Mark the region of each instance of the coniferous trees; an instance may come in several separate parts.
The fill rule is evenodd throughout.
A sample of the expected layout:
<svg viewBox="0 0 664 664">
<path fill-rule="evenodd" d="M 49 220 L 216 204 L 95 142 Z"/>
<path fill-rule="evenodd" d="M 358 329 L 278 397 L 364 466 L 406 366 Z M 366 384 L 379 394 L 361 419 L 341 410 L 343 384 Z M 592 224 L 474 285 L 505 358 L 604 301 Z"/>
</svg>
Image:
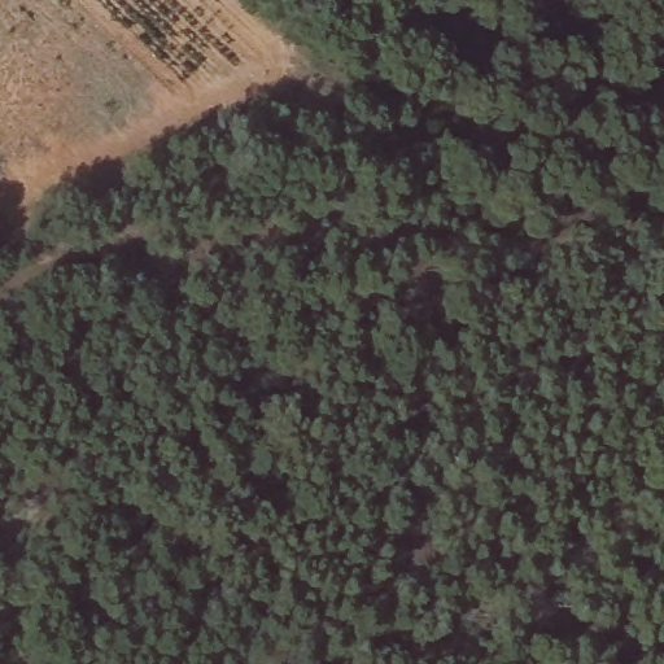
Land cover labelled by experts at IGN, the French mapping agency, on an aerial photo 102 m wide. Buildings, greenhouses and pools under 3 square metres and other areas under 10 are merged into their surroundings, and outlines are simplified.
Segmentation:
<svg viewBox="0 0 664 664">
<path fill-rule="evenodd" d="M 132 150 L 122 158 L 101 158 L 91 166 L 78 166 L 75 174 L 65 174 L 57 184 L 44 189 L 39 202 L 26 208 L 21 202 L 23 187 L 18 182 L 0 179 L 0 664 L 664 664 L 664 0 L 239 0 L 246 13 L 257 16 L 288 44 L 296 44 L 301 52 L 309 54 L 311 67 L 301 80 L 283 78 L 278 83 L 259 86 L 254 96 L 239 104 L 213 106 L 192 125 L 166 127 L 158 137 L 150 140 L 145 150 Z"/>
</svg>

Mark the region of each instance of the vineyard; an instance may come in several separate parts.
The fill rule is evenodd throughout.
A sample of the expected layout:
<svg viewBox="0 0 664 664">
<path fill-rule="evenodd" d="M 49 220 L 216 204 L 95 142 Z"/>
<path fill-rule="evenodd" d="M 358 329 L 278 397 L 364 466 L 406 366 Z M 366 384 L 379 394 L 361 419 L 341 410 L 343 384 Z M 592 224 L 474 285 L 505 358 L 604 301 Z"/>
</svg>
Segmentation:
<svg viewBox="0 0 664 664">
<path fill-rule="evenodd" d="M 257 16 L 246 13 L 239 0 L 0 0 L 0 179 L 18 182 L 23 187 L 21 202 L 26 208 L 39 202 L 44 189 L 57 184 L 65 174 L 75 174 L 78 166 L 91 166 L 101 158 L 122 158 L 132 150 L 145 150 L 150 140 L 158 137 L 166 127 L 192 125 L 213 106 L 239 104 L 254 96 L 259 86 L 278 83 L 283 78 L 301 80 L 311 67 L 309 54 L 301 52 L 296 44 L 288 44 Z"/>
</svg>

